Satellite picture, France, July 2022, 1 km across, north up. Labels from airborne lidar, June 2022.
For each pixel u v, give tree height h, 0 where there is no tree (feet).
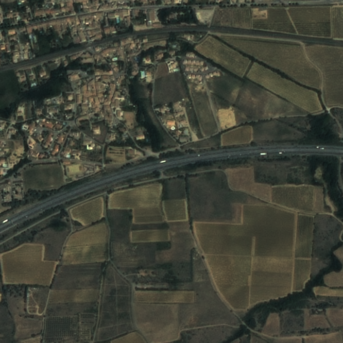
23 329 0
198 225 0
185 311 0
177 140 22
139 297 0
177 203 0
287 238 0
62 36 23
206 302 0
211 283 0
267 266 0
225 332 0
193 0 25
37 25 0
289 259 0
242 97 0
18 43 0
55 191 33
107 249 0
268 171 0
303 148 0
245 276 0
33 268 0
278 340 0
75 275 0
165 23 30
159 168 0
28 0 20
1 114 38
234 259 0
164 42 0
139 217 0
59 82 22
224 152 0
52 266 0
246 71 0
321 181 0
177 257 0
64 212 35
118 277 0
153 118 0
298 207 0
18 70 18
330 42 0
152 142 26
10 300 0
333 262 28
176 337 0
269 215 0
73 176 0
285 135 0
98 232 0
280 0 0
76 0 0
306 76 0
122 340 0
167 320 0
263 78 0
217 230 0
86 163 0
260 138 0
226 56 0
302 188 0
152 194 0
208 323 0
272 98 0
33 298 0
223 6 43
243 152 0
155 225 0
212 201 0
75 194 0
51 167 0
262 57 0
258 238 0
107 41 0
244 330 46
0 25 43
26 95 23
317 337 0
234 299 0
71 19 0
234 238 0
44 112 24
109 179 0
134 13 0
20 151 0
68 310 0
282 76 33
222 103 0
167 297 0
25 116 0
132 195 0
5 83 0
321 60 0
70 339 0
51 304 0
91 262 0
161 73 0
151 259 0
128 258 0
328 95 0
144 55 45
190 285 0
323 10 0
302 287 0
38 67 27
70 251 0
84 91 0
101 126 0
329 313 0
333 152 0
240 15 0
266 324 0
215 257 0
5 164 0
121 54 0
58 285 0
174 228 0
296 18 0
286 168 0
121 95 24
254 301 0
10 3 0
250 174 0
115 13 0
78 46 26
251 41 0
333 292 0
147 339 0
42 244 0
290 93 0
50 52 20
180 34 0
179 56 25
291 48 0
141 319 0
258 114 0
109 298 0
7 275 0
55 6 19
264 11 0
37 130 0
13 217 0
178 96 0
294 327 0
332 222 0
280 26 0
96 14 0
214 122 0
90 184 0
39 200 20
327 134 39
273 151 0
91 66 38
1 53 32
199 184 0
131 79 23
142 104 28
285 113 0
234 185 0
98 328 0
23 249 0
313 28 0
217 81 0
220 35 0
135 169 0
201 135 0
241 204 0
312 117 33
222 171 0
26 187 0
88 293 0
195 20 66
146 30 0
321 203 0
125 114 0
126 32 20
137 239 0
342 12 0
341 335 0
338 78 0
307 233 0
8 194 0
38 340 0
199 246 0
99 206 0
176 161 0
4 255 0
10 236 0
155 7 0
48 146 19
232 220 0
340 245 19
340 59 0
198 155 0
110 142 21
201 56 23
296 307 25
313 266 0
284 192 0
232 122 0
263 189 0
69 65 36
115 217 0
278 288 0
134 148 25
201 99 0
